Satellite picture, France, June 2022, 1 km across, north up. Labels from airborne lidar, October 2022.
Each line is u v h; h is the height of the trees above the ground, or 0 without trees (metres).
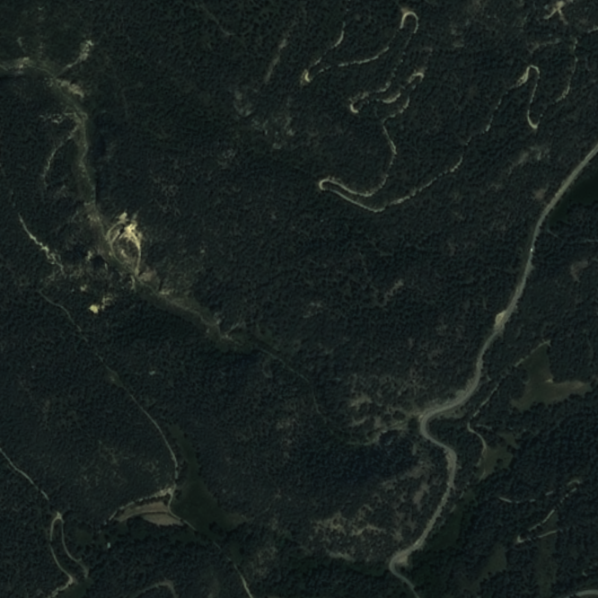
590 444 17
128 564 11
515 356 13
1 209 12
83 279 7
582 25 8
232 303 8
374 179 10
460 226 11
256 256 10
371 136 10
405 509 13
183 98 8
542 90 15
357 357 8
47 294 7
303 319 10
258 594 13
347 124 13
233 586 9
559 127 11
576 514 21
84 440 13
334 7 16
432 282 10
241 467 8
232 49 8
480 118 17
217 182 12
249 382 8
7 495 12
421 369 11
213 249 9
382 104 13
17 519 18
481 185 10
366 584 22
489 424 11
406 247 16
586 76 9
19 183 10
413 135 15
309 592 11
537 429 14
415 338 7
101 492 9
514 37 8
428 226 11
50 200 14
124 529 0
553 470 16
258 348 6
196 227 12
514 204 11
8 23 6
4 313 8
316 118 9
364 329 12
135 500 11
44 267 7
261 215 9
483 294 16
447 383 8
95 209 0
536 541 19
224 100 12
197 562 11
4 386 13
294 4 8
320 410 10
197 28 12
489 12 8
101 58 7
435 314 9
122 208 8
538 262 17
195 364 19
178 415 7
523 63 12
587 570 6
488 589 12
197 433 8
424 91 17
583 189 0
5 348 8
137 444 8
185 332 13
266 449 10
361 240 17
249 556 16
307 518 8
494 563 0
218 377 10
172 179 11
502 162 17
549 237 19
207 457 9
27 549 16
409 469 7
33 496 9
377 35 16
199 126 12
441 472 11
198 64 18
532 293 8
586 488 14
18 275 8
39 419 10
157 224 9
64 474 6
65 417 11
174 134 8
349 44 13
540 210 15
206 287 11
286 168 8
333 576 17
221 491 7
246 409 11
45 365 11
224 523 0
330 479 15
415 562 11
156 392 10
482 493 20
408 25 7
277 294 15
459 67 12
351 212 19
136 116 7
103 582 10
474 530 17
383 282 9
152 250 10
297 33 12
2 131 12
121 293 7
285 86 10
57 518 0
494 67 18
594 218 14
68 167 7
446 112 15
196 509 0
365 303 19
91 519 8
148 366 10
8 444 11
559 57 12
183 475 8
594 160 14
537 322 8
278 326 14
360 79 12
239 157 12
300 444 7
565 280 9
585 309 15
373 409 14
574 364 10
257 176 13
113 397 12
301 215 14
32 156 13
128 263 0
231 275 8
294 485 12
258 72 11
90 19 7
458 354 12
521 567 14
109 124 6
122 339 16
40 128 8
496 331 0
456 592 11
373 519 11
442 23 9
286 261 18
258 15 11
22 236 8
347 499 10
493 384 11
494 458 0
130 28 13
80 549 15
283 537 11
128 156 13
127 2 10
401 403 16
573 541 16
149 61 9
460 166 8
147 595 7
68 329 15
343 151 13
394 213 7
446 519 9
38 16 6
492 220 14
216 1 14
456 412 7
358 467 8
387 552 9
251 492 8
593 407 15
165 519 0
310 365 18
